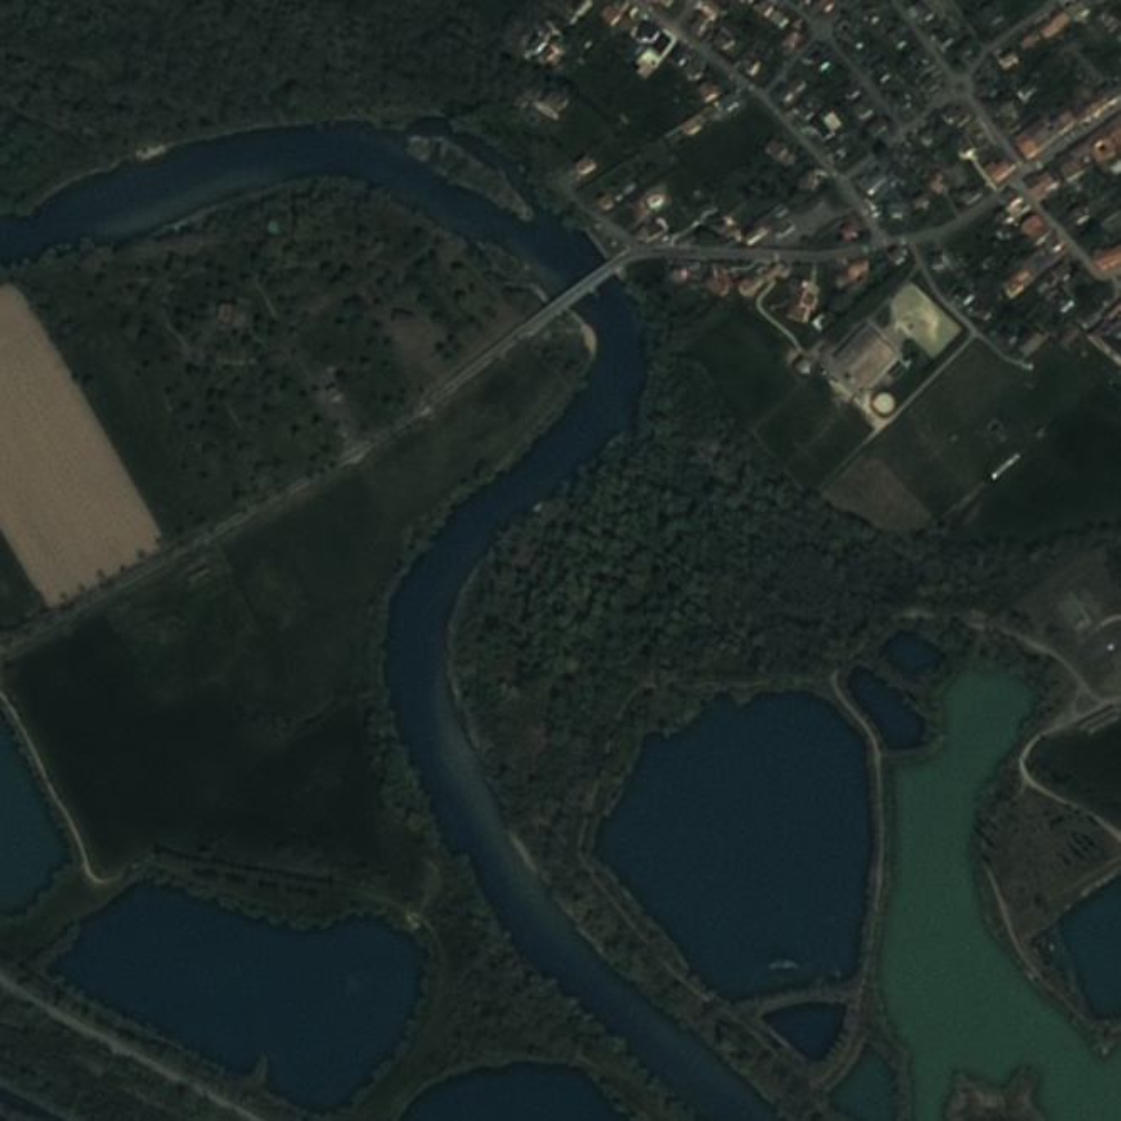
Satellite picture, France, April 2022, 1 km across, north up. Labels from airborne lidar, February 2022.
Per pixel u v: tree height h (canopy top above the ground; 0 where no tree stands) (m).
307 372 0
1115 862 0
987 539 0
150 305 11
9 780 0
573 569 14
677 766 0
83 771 0
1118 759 0
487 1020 11
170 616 0
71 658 0
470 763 0
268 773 0
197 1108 21
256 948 0
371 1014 0
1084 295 7
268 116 16
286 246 17
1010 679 0
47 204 0
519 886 0
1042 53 0
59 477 0
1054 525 0
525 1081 0
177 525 0
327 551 0
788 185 9
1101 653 0
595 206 0
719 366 0
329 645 0
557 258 0
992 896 0
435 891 0
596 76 0
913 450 0
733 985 0
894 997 0
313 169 0
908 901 0
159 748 0
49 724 0
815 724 0
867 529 23
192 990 0
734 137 0
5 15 18
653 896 0
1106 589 0
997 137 0
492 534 0
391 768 18
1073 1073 0
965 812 0
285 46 18
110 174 0
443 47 22
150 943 0
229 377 11
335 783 0
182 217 0
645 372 0
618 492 27
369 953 0
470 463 0
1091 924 0
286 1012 0
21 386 0
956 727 0
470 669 11
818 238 0
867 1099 0
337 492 0
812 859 0
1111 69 0
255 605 0
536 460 0
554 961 0
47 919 0
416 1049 0
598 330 0
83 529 0
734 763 0
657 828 0
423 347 0
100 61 0
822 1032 0
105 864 0
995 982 0
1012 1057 0
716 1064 0
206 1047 0
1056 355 0
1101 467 0
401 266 0
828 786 0
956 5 0
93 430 0
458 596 0
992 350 0
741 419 0
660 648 15
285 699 0
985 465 0
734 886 0
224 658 0
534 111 0
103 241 0
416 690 0
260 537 0
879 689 0
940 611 11
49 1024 26
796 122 0
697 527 19
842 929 0
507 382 0
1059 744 0
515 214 0
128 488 0
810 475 0
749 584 22
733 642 20
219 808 0
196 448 0
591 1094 0
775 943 0
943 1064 0
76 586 0
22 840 0
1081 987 0
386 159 0
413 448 0
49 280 0
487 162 0
